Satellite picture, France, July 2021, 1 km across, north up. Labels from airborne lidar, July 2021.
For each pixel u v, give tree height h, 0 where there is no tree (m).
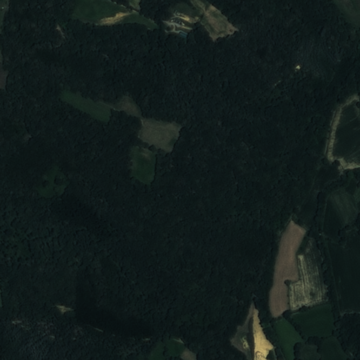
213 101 21
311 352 0
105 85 15
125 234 18
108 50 24
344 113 0
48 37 24
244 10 23
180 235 19
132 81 11
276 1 22
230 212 29
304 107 27
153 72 10
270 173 31
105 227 23
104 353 23
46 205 20
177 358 16
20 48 25
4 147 19
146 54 26
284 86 20
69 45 18
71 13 27
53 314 14
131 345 17
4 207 11
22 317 15
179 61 14
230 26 0
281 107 28
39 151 15
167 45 21
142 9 18
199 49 22
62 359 18
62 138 16
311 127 32
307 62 14
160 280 20
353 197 0
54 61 14
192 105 20
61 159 14
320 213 17
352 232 0
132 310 17
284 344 0
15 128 6
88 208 20
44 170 14
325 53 8
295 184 23
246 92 22
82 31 22
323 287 0
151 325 19
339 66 13
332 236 0
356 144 0
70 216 26
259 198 22
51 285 19
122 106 0
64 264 22
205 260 16
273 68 20
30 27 24
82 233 29
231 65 15
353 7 0
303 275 0
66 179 8
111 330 20
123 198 15
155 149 17
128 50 21
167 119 16
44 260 25
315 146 29
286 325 0
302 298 0
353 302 0
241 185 28
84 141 21
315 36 8
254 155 25
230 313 18
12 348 8
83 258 17
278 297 0
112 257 16
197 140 19
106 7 0
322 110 30
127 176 12
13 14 19
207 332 15
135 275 20
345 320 23
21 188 16
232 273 24
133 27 23
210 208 26
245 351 0
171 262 14
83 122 22
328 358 0
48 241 26
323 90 25
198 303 13
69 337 16
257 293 26
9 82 16
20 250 23
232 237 21
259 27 22
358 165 0
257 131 24
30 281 19
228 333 21
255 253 16
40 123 17
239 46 18
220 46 22
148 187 20
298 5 23
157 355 0
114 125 17
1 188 7
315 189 0
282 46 20
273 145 23
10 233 33
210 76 14
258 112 25
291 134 25
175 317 16
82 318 18
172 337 13
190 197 18
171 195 23
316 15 23
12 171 19
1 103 15
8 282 17
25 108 18
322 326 0
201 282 16
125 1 15
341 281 0
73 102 0
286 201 26
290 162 29
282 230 7
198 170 19
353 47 27
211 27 0
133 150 18
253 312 0
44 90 19
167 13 23
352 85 25
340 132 0
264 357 0
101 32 22
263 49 16
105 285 20
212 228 17
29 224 23
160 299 12
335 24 27
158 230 21
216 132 21
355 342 22
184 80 15
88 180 14
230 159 17
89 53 17
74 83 23
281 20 23
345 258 0
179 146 22
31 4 24
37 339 17
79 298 21
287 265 0
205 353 21
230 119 21
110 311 13
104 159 21
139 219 13
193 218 19
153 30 12
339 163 19
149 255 14
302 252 0
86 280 16
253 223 22
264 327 26
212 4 12
